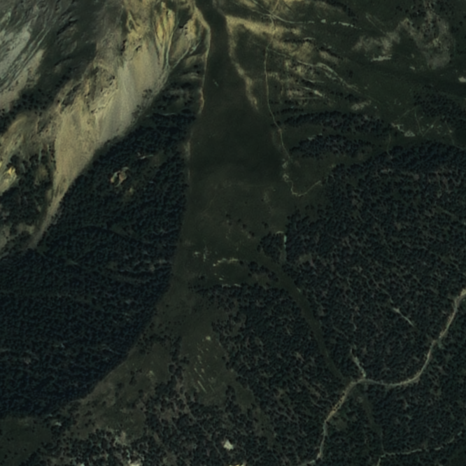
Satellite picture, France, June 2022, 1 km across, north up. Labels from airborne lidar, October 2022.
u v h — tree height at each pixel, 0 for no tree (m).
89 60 0
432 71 0
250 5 0
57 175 0
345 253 20
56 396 14
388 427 10
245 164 0
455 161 13
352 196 14
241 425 15
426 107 8
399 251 25
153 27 0
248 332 17
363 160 0
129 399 0
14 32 0
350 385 0
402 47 0
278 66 0
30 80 0
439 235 16
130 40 0
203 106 0
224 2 0
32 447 0
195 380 0
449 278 18
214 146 0
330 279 19
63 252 21
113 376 0
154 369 0
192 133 0
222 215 0
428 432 24
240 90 0
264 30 0
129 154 23
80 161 0
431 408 18
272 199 0
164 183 12
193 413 14
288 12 0
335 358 15
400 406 17
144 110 0
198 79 0
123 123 0
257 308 27
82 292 17
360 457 10
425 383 10
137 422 0
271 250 14
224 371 0
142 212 17
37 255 21
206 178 0
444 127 0
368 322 8
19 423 0
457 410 19
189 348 0
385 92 0
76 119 0
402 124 0
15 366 17
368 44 0
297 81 7
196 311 7
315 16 0
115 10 0
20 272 18
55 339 17
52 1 0
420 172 16
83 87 0
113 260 14
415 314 17
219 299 16
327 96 0
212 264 0
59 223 14
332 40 0
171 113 0
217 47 0
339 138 20
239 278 0
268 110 0
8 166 10
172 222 18
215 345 0
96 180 11
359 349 7
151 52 0
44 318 16
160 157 0
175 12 0
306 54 0
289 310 8
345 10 7
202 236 0
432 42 0
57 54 0
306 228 13
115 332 13
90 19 0
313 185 0
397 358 16
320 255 21
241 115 0
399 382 11
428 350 29
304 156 8
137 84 0
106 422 0
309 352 22
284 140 0
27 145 0
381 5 0
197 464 17
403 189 8
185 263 0
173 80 0
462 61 0
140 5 0
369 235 26
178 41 0
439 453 16
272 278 24
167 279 13
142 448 16
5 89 0
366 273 11
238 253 0
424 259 22
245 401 0
